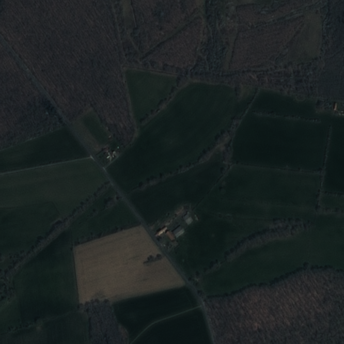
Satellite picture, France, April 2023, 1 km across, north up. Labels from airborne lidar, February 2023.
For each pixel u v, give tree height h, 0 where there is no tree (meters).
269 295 24
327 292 24
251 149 0
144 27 11
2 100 21
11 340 0
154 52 13
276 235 23
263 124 0
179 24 11
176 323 0
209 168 0
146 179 0
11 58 20
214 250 0
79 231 0
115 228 0
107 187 12
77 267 0
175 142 0
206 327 0
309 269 19
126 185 0
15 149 0
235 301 20
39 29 25
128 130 17
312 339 23
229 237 0
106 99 24
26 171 0
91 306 17
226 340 22
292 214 0
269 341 25
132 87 0
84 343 0
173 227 0
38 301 0
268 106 0
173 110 0
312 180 0
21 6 22
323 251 0
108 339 19
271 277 0
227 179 0
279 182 0
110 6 26
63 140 0
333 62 7
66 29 28
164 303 0
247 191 0
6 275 15
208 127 0
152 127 0
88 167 0
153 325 0
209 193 0
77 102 21
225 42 0
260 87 10
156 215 0
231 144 9
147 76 0
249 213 0
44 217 0
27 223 0
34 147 0
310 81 17
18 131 18
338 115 0
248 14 11
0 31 18
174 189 0
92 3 29
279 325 25
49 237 17
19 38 24
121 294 0
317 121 6
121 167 0
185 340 0
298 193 0
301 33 0
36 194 0
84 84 25
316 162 0
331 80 10
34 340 0
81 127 0
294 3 7
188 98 0
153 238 0
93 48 25
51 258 0
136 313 0
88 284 0
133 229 0
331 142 0
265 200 0
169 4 9
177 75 19
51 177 0
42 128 8
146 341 0
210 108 0
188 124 0
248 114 0
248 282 0
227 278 0
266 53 9
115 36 26
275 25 7
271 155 0
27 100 22
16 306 0
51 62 21
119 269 0
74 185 0
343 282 22
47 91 18
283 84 10
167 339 0
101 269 0
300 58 0
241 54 10
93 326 16
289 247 0
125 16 0
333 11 13
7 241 0
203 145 0
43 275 0
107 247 0
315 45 0
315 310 22
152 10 10
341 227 0
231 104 0
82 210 13
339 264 0
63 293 0
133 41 0
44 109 19
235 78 16
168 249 9
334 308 25
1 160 0
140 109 0
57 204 0
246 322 21
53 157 0
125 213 0
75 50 28
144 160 0
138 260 0
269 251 0
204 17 0
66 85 22
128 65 21
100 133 0
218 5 10
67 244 0
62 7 27
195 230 0
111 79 26
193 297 0
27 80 19
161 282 0
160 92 0
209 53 13
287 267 0
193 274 0
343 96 11
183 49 12
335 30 14
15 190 0
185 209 0
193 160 0
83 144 0
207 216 0
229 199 0
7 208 0
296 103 0
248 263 0
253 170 0
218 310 20
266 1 0
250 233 0
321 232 0
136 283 0
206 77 17
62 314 0
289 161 0
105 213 0
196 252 0
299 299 26
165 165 0
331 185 0
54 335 0
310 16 0
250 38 9
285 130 0
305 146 0
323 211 14
